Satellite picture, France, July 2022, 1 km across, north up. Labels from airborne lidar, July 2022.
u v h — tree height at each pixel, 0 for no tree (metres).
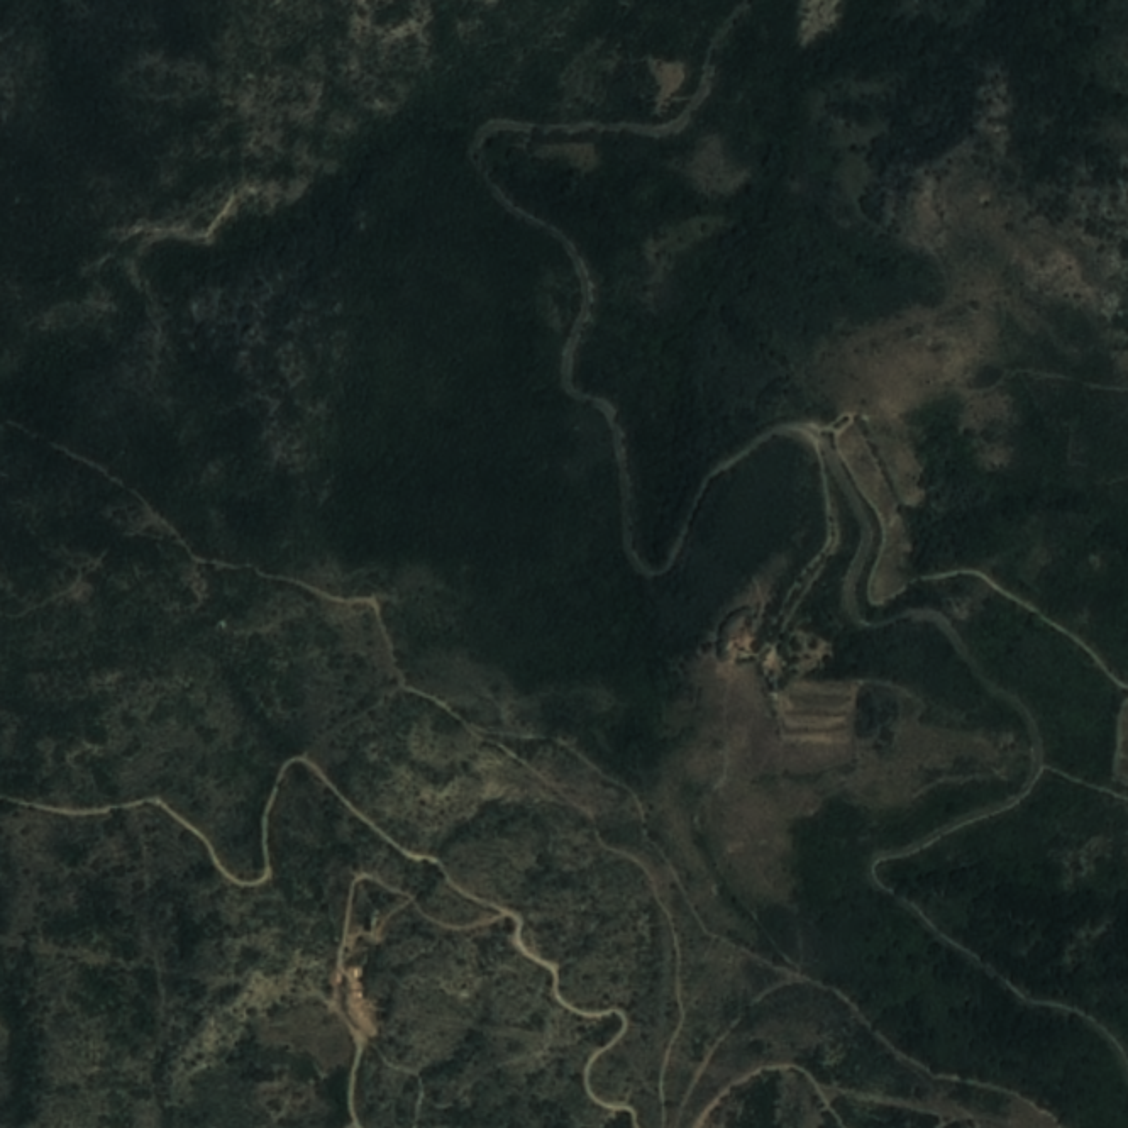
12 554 5
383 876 0
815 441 0
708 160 0
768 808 0
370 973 13
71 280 8
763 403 6
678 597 6
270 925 6
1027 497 9
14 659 6
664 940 0
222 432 7
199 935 8
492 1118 6
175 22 6
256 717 7
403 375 6
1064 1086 9
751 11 5
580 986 0
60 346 8
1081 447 7
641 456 9
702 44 7
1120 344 7
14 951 6
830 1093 0
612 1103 0
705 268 8
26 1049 6
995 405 0
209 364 7
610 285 6
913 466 0
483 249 7
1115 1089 6
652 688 7
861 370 0
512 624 6
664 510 14
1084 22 6
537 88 6
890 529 0
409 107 9
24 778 6
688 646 6
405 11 7
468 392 6
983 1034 6
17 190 5
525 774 0
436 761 0
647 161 7
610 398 6
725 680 0
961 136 6
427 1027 0
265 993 0
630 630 9
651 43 7
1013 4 12
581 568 7
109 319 6
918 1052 6
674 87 0
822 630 7
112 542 6
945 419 6
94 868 6
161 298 6
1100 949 9
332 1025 0
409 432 7
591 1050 0
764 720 0
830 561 7
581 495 7
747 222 13
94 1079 6
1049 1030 9
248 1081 7
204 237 15
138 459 7
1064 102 11
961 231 0
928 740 0
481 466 7
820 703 0
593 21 8
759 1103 9
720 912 0
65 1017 6
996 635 8
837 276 8
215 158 7
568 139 7
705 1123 0
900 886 9
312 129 7
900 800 0
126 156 6
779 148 8
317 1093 6
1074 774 9
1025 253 0
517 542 7
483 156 14
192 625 7
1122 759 0
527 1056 0
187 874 6
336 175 10
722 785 0
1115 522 7
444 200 6
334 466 8
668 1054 0
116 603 6
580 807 0
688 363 6
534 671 7
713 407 8
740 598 0
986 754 0
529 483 6
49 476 6
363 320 6
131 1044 7
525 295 6
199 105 7
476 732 0
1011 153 6
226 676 7
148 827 6
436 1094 6
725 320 8
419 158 6
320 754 0
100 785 7
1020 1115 0
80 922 6
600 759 5
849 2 11
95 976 7
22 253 7
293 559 7
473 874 0
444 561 7
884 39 8
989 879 8
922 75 6
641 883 0
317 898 8
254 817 7
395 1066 0
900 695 0
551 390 8
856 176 0
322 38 6
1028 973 16
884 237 7
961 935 12
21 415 9
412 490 6
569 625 7
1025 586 9
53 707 6
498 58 7
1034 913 11
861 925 8
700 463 5
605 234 6
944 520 10
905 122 7
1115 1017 8
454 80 9
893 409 0
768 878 0
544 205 9
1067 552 6
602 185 7
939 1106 0
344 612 0
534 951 0
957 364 0
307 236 6
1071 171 6
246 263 7
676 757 0
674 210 8
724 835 0
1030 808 6
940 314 0
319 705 0
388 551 7
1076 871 8
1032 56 8
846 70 9
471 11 6
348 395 9
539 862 7
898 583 0
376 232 7
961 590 7
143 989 6
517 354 8
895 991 7
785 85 6
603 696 0
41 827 0
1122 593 5
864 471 0
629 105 6
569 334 10
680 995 0
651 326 7
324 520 9
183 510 7
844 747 0
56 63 9
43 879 5
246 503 6
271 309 7
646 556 7
